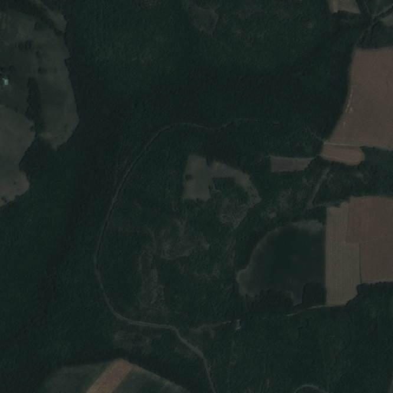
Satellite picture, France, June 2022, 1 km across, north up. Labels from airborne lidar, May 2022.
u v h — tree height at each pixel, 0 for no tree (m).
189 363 8
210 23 9
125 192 10
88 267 9
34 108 18
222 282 8
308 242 0
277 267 0
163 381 0
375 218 0
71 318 9
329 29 12
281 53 10
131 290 7
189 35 12
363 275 0
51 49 0
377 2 0
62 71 0
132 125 6
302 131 10
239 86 14
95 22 8
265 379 7
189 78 15
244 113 11
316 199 9
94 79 17
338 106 17
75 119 0
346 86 5
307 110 14
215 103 11
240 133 11
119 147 8
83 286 12
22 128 0
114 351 13
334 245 0
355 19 12
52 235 13
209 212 8
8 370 7
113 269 8
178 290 8
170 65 8
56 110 0
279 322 11
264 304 13
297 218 13
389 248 0
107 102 21
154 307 7
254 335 9
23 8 21
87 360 12
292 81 15
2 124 0
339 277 0
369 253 0
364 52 0
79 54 21
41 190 10
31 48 16
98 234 9
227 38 10
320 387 11
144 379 0
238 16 11
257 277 0
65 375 0
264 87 14
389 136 0
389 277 0
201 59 12
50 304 24
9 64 0
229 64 9
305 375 15
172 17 12
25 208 12
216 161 10
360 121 0
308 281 0
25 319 14
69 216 18
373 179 10
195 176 0
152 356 8
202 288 7
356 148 0
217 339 7
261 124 12
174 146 9
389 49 0
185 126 12
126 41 8
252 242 10
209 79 14
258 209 11
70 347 10
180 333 8
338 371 6
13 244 11
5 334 13
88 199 17
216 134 14
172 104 14
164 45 8
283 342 11
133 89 8
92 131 17
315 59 13
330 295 0
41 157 14
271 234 0
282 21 6
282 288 0
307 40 7
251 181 11
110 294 9
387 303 9
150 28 6
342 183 7
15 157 0
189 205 10
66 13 14
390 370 10
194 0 10
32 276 12
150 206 10
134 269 10
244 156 13
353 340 9
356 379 12
